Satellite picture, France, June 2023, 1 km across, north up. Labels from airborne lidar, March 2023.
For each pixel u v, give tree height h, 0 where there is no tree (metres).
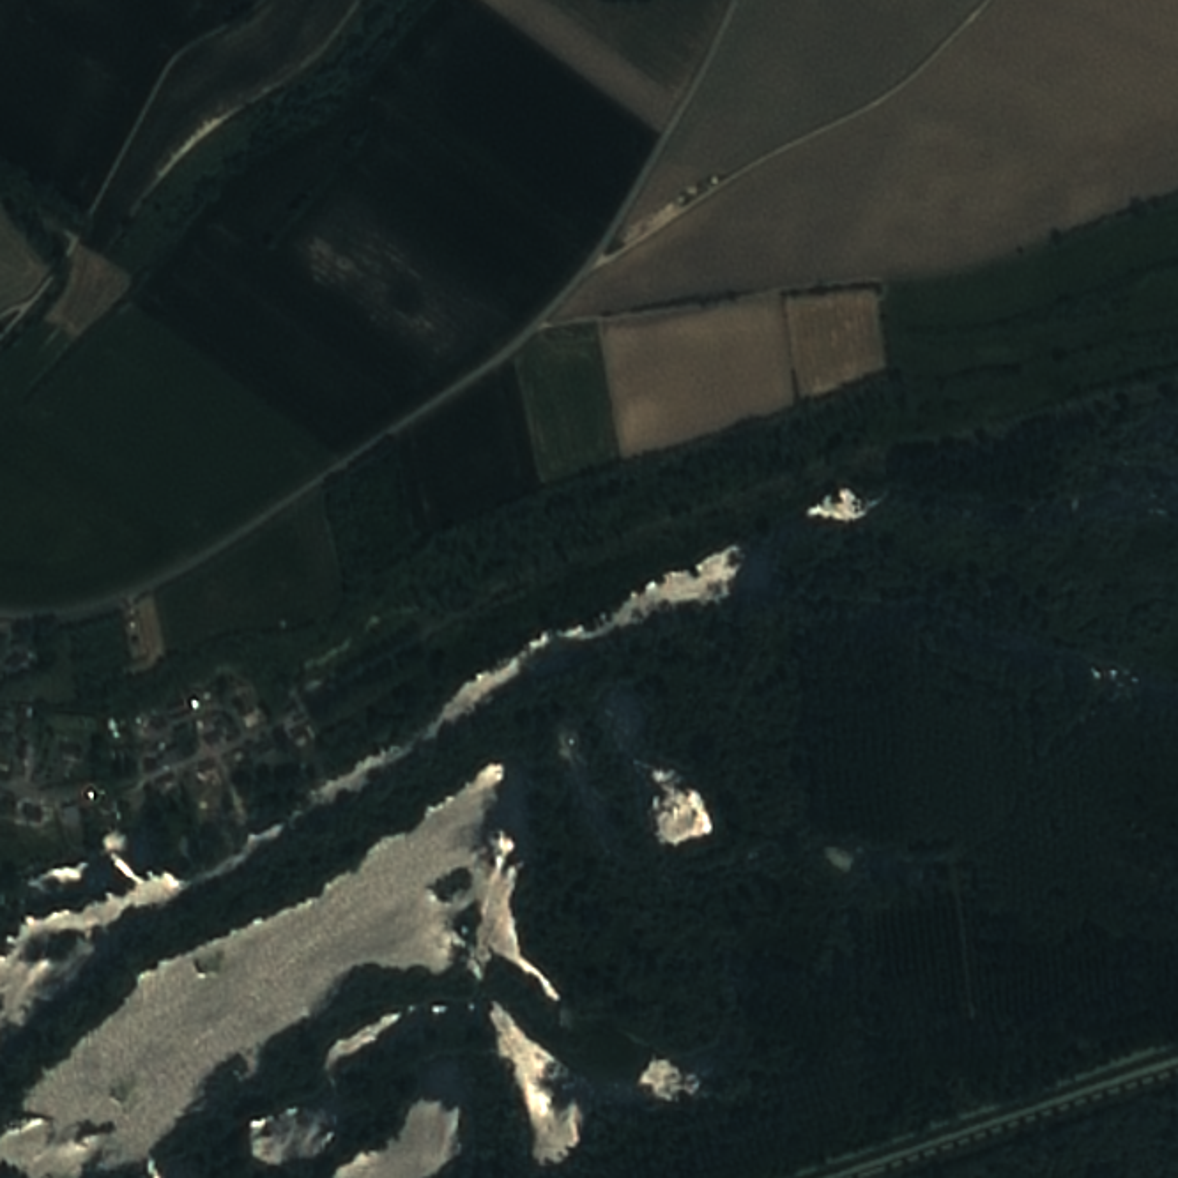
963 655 27
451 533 7
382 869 0
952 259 0
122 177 0
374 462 7
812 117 0
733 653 15
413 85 0
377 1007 8
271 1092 7
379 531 10
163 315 0
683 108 0
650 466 12
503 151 0
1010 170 0
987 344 0
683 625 17
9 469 0
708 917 6
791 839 16
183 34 0
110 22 0
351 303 0
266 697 0
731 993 6
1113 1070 0
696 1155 24
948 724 29
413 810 6
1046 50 0
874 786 31
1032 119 0
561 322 0
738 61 0
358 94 0
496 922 0
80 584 0
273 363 0
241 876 12
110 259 0
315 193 0
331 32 0
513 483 0
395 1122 7
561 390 0
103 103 0
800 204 0
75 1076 0
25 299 0
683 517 15
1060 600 6
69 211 21
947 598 13
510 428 0
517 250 0
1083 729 29
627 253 0
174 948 7
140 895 0
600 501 17
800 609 21
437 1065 0
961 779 29
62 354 0
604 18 0
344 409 0
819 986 29
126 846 0
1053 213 0
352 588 9
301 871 10
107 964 12
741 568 0
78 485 0
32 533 0
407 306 0
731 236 0
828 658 30
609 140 0
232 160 9
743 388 0
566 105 0
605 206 0
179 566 0
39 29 0
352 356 0
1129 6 0
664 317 0
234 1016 0
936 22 0
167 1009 0
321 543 0
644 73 0
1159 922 29
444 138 0
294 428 0
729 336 0
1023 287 0
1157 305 0
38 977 0
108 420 0
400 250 0
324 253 0
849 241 0
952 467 17
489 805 0
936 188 0
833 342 0
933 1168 8
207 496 0
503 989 6
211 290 0
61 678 0
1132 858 28
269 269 0
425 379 0
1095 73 0
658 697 16
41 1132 0
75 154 0
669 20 0
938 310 0
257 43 0
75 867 0
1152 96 0
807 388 0
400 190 0
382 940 0
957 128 0
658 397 0
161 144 0
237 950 0
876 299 0
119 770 14
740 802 17
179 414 0
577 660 14
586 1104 0
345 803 16
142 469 0
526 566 12
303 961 0
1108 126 0
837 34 0
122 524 0
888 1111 31
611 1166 24
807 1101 26
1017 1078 17
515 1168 23
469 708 0
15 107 0
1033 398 0
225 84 0
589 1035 0
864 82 0
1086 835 27
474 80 0
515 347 0
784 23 0
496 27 0
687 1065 0
